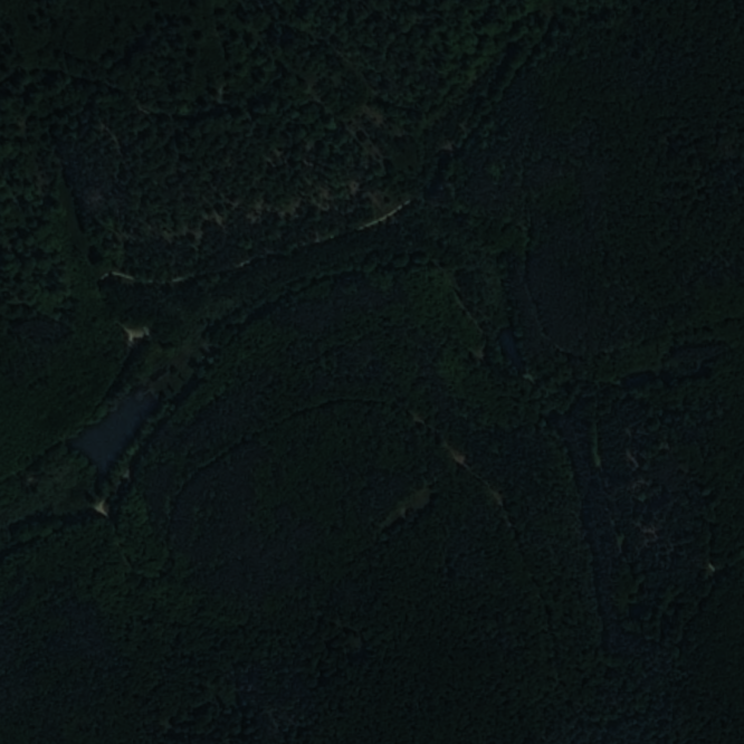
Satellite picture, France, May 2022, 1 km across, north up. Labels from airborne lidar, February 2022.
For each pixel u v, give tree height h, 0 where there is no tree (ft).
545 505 80
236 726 53
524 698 86
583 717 74
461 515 52
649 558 40
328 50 106
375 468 64
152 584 86
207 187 108
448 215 49
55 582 67
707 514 70
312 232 38
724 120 74
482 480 48
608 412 45
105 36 51
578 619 80
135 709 68
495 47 74
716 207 75
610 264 61
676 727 86
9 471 44
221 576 76
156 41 96
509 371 76
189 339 22
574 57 50
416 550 54
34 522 54
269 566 62
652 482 38
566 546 77
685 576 40
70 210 0
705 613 70
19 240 105
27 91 129
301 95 35
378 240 52
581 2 107
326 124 115
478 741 73
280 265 64
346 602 63
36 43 58
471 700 73
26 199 43
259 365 64
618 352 69
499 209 62
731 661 69
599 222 76
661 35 59
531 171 61
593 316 66
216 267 52
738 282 76
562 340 74
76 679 61
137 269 78
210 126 106
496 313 75
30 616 66
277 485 45
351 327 68
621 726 107
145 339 26
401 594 78
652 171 79
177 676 89
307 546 46
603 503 85
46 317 73
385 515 44
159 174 95
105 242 91
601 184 67
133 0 40
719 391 71
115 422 0
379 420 60
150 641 89
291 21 40
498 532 70
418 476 61
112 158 86
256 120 98
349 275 73
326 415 47
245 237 44
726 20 83
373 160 37
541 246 74
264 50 25
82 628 67
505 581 73
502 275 52
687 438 76
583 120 60
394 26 107
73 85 95
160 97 92
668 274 63
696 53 63
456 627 77
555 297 73
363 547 42
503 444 75
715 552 49
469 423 49
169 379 0
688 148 68
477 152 64
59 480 22
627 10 46
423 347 68
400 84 113
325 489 47
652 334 58
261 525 49
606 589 122
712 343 105
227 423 62
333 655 69
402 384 64
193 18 52
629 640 130
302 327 72
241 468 68
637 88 65
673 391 88
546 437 62
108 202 97
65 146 99
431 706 68
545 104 52
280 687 90
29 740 63
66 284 51
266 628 71
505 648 75
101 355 75
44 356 66
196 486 70
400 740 58
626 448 39
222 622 79
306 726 86
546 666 106
